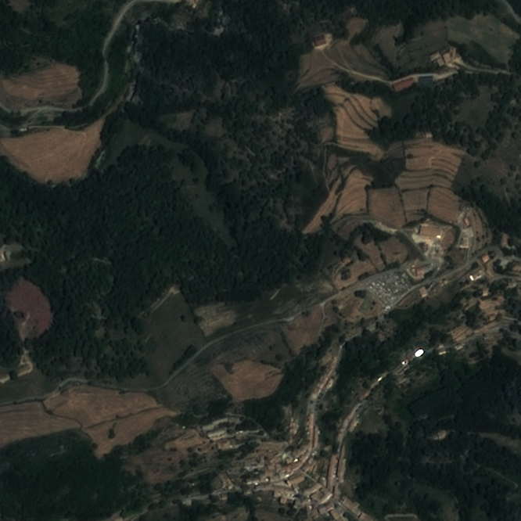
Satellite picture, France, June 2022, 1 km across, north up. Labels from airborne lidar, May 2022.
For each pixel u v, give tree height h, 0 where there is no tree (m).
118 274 20
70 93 0
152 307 0
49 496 7
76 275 8
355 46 0
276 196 9
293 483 0
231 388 0
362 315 0
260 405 11
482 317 7
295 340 0
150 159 14
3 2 8
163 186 15
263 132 9
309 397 11
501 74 9
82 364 7
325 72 0
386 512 11
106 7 9
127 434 0
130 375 7
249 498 9
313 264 13
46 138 0
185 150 8
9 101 0
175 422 0
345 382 10
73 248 23
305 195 0
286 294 0
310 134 6
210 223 9
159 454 0
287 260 14
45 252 15
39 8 11
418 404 26
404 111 0
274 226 14
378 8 13
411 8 18
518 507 14
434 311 13
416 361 13
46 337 19
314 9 9
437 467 10
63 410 0
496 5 9
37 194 26
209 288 15
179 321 0
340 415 7
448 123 8
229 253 11
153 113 19
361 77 0
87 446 0
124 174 19
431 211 0
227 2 14
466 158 0
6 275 7
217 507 7
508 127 7
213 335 0
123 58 8
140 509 16
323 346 13
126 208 20
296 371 14
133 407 0
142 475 10
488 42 0
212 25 21
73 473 13
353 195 0
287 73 0
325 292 0
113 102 7
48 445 0
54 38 9
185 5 7
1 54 7
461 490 34
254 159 9
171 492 11
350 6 11
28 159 0
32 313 0
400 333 15
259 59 15
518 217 14
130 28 15
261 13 14
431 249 0
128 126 0
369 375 19
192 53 17
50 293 14
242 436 0
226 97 15
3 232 12
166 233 14
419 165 0
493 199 15
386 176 0
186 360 8
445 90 7
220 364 0
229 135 8
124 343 14
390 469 17
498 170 0
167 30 17
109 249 20
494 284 7
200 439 0
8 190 11
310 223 0
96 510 8
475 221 0
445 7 8
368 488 20
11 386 0
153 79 8
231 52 17
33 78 0
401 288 0
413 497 6
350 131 0
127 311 10
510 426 9
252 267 14
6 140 0
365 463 23
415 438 20
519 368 15
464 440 14
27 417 0
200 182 16
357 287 0
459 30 0
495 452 11
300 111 8
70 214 22
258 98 7
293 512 10
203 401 0
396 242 0
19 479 15
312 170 0
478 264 8
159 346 0
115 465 10
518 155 0
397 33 0
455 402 23
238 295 16
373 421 0
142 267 20
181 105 19
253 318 0
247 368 0
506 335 29
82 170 0
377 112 6
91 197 18
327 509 0
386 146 0
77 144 0
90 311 16
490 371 13
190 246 11
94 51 12
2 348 20
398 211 0
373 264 0
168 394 0
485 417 16
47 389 0
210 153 25
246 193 13
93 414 0
